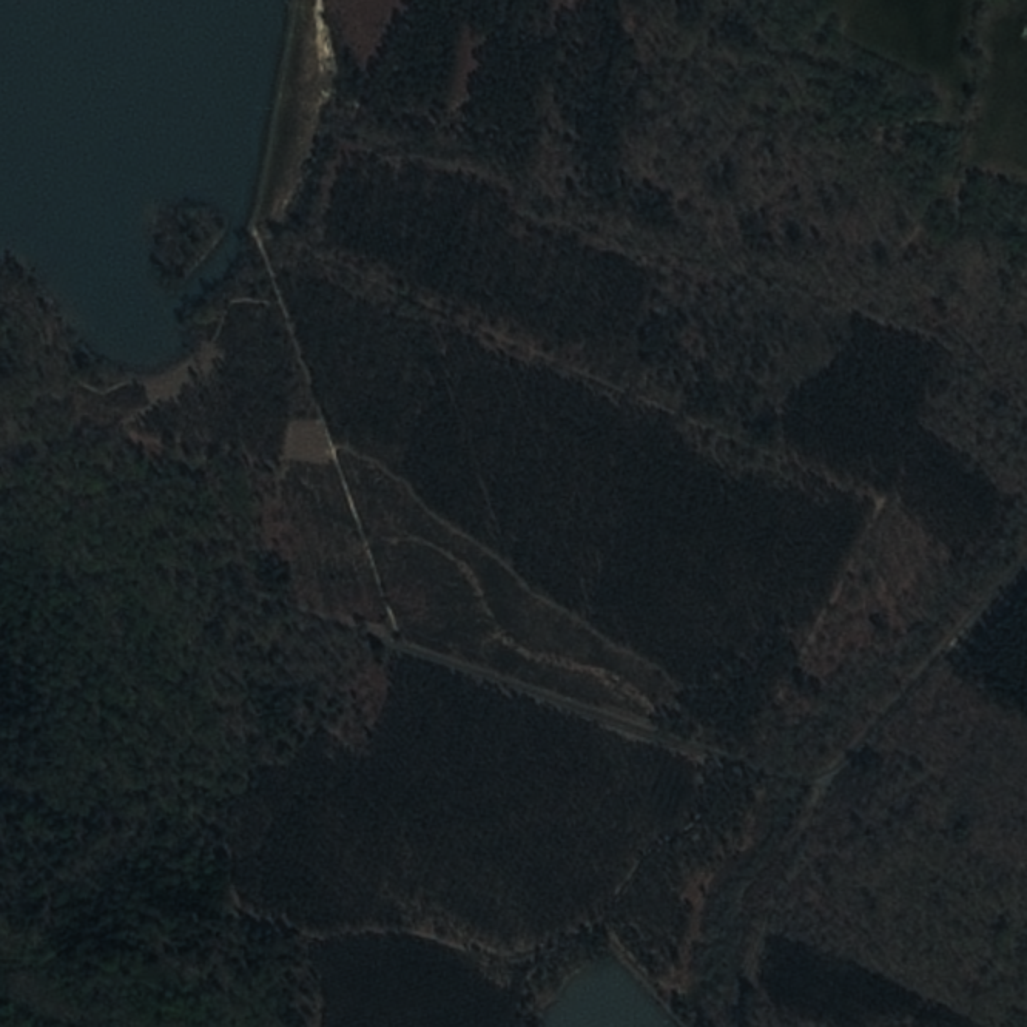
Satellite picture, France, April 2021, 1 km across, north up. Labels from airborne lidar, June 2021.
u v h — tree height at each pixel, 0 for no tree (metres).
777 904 11
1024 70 0
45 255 0
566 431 13
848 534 14
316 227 11
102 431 12
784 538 13
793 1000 11
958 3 0
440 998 13
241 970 10
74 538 19
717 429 9
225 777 17
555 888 13
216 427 9
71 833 16
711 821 20
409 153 13
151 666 25
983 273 12
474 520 10
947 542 15
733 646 12
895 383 13
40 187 0
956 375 17
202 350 0
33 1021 18
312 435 0
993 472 16
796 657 22
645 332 12
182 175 0
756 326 9
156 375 0
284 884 14
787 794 22
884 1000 10
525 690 0
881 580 15
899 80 9
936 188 13
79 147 0
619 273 9
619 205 24
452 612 0
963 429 18
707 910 7
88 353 7
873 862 16
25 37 0
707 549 14
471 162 15
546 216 18
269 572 22
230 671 14
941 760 10
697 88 15
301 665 22
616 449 14
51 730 19
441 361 12
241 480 23
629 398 11
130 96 0
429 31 20
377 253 9
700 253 17
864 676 15
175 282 7
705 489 14
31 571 25
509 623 0
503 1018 13
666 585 13
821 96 18
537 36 15
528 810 11
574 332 8
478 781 13
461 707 14
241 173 0
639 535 12
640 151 14
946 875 16
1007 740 10
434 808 12
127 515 25
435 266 9
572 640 0
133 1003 20
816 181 12
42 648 16
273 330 7
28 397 18
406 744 12
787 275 18
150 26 0
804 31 26
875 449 13
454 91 21
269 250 7
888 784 6
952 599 18
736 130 13
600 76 18
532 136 20
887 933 18
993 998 15
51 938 13
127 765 21
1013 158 0
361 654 11
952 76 0
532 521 12
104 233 0
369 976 13
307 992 17
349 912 10
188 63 0
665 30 15
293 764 12
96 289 0
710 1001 13
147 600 26
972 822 8
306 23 0
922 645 16
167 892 12
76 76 0
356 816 14
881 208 14
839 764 0
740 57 15
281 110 0
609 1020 0
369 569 0
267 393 7
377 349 7
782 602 9
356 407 10
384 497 0
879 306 20
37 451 9
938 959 19
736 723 20
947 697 8
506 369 11
